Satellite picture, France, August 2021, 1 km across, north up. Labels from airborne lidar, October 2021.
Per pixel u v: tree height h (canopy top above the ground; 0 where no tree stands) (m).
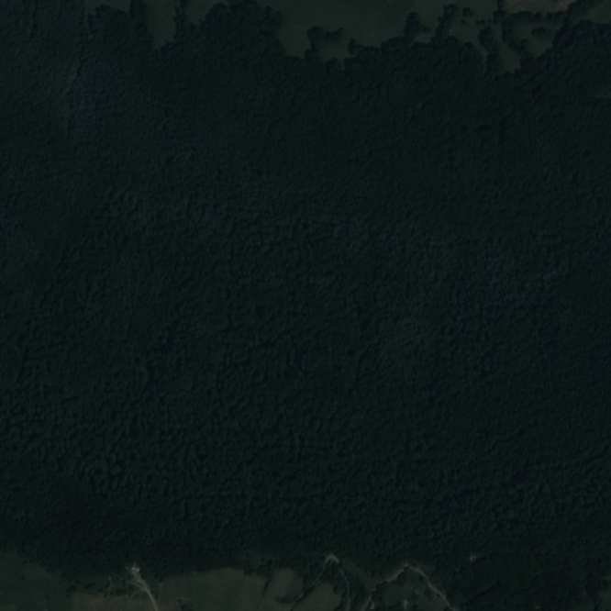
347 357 25
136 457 21
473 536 16
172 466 16
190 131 21
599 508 21
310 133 22
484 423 21
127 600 0
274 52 21
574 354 21
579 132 25
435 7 0
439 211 24
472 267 22
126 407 32
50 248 26
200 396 23
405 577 10
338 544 12
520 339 19
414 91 27
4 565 0
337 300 21
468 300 20
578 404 21
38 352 30
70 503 24
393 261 15
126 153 25
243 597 0
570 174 20
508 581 23
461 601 0
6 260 18
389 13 0
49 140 15
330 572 7
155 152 27
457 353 24
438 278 22
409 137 26
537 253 24
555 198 23
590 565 17
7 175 21
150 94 21
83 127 13
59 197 21
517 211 21
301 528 16
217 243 25
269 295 26
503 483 10
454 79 21
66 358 26
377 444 24
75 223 27
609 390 23
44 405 12
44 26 21
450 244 14
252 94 26
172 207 24
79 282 23
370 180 18
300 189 22
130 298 21
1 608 0
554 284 18
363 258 19
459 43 24
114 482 25
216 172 22
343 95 29
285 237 22
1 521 19
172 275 22
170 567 9
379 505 25
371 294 17
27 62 14
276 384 27
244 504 21
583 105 25
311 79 24
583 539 7
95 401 26
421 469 24
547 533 14
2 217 14
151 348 9
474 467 14
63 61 18
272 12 20
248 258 22
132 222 18
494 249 18
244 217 19
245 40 28
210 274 19
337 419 15
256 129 26
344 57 0
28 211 26
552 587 22
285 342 28
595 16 0
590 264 19
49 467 29
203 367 27
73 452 15
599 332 21
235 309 25
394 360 20
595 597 8
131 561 9
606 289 19
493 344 20
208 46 25
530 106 22
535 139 25
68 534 22
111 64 18
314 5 0
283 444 21
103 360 23
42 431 23
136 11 17
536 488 22
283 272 20
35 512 25
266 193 22
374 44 0
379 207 23
